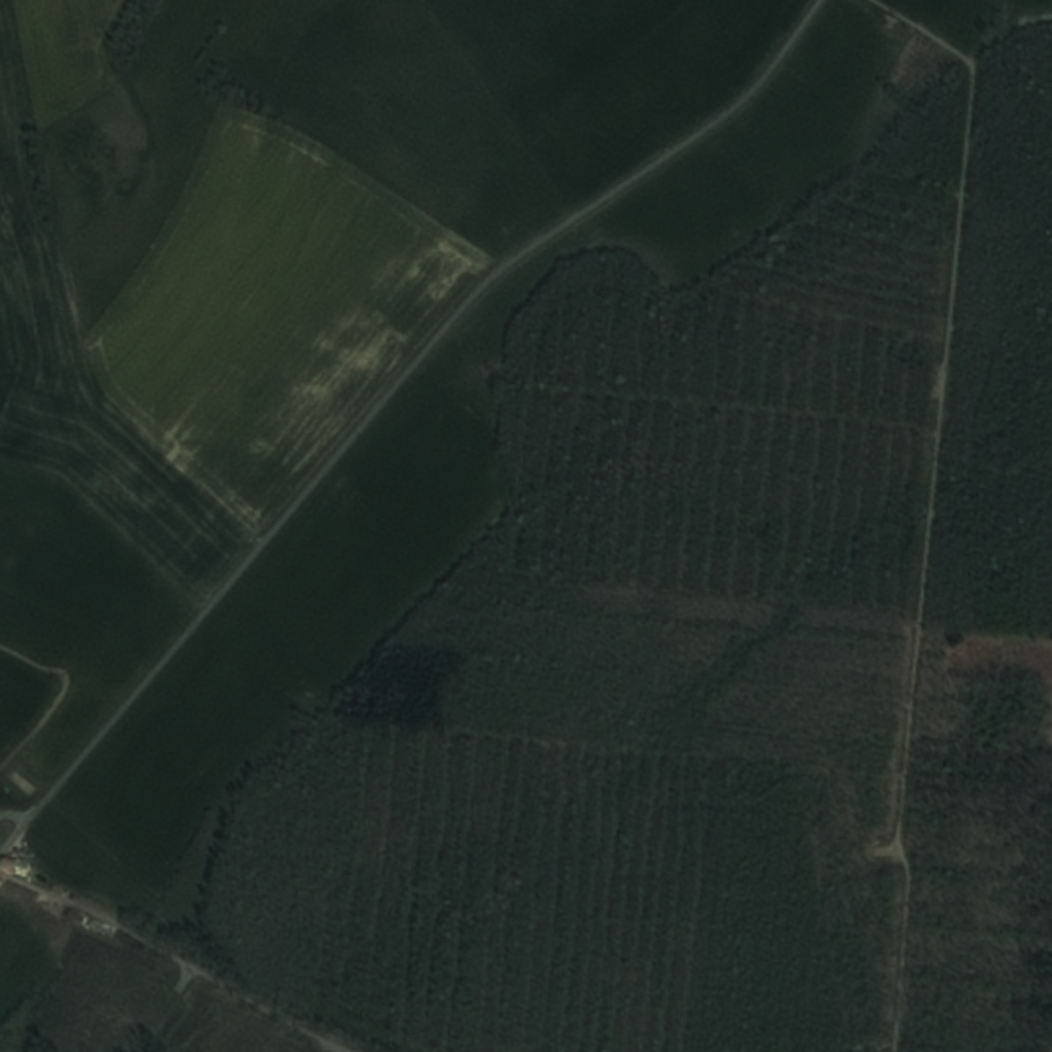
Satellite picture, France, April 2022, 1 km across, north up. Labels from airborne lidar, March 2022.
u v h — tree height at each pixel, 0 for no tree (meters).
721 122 0
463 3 0
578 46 0
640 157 0
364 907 18
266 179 0
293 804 16
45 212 8
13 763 0
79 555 0
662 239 0
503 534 14
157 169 0
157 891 0
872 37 0
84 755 0
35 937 0
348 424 0
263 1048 0
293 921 17
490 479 0
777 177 0
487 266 0
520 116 0
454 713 18
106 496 0
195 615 0
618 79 0
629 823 12
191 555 0
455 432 0
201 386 0
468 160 0
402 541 0
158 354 0
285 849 16
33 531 0
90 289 0
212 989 0
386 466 0
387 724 24
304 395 0
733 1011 18
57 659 0
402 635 15
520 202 0
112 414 0
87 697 0
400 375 0
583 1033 12
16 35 0
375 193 0
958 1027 15
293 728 0
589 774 14
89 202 0
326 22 0
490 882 15
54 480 0
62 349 0
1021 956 16
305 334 0
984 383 16
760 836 15
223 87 14
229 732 0
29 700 0
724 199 0
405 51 0
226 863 18
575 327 14
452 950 16
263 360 0
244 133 0
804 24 0
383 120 0
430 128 0
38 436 0
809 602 17
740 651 18
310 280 0
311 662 0
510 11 0
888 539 20
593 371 14
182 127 0
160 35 0
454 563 0
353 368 0
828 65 0
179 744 0
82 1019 0
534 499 17
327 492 0
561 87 0
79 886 0
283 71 0
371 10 0
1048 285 17
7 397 0
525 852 14
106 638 0
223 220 0
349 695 15
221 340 0
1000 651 22
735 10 0
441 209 0
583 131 0
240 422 0
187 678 0
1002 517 15
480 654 15
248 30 0
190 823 0
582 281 24
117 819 0
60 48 0
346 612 0
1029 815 18
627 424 17
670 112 0
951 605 15
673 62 0
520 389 13
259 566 0
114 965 0
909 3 0
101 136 0
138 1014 0
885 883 16
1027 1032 14
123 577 0
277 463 0
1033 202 19
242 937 18
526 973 11
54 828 0
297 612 0
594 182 0
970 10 0
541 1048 12
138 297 0
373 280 0
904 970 0
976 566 16
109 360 0
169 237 0
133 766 0
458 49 0
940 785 18
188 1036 0
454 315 0
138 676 0
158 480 0
